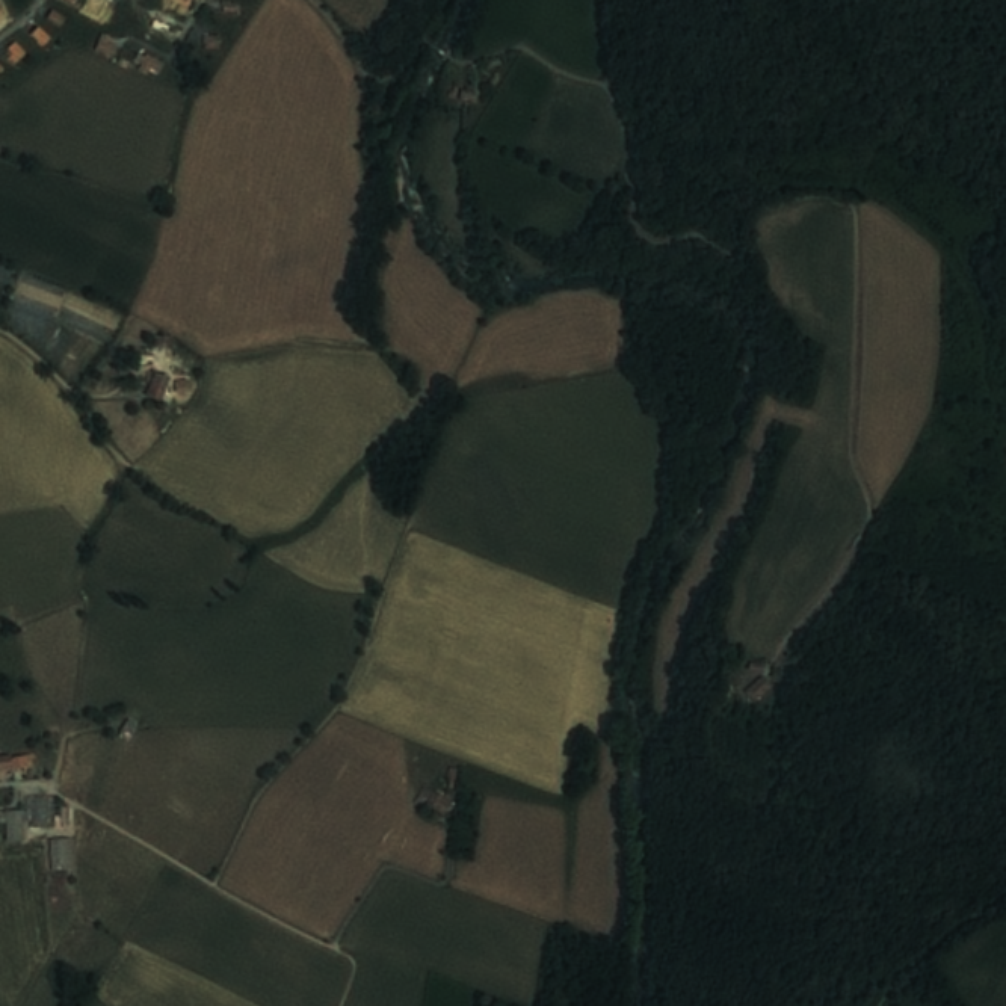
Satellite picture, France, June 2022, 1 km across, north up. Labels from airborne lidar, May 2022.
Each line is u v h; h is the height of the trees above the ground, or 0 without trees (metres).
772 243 0
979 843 9
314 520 0
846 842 18
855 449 0
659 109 13
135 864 0
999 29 13
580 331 0
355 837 0
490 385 0
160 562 0
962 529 6
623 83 18
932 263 0
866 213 0
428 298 0
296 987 0
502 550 0
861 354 0
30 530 0
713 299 14
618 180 9
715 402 23
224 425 0
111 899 0
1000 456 0
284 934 0
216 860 0
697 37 8
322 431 0
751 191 16
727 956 18
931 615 18
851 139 23
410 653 0
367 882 0
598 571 0
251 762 0
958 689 13
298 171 0
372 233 26
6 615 0
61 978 21
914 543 6
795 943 14
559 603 0
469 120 0
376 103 19
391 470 16
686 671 26
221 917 0
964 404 16
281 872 0
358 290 27
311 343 0
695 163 12
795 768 17
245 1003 0
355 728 0
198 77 22
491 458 0
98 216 0
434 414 18
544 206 0
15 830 0
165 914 0
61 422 0
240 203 0
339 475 0
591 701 0
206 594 0
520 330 0
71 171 8
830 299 0
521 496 0
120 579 0
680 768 22
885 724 11
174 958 0
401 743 0
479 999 19
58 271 0
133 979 0
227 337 0
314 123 0
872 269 0
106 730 9
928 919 14
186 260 0
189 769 0
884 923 15
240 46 0
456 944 0
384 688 0
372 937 0
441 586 0
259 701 0
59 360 0
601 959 24
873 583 14
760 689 0
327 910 0
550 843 0
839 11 12
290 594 0
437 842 0
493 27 0
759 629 0
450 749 0
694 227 14
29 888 0
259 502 0
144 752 0
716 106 13
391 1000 0
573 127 0
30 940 0
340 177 0
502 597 0
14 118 0
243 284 0
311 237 0
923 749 6
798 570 0
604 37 17
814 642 9
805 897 14
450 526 0
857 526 0
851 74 11
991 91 15
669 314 25
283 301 0
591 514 0
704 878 18
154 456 0
